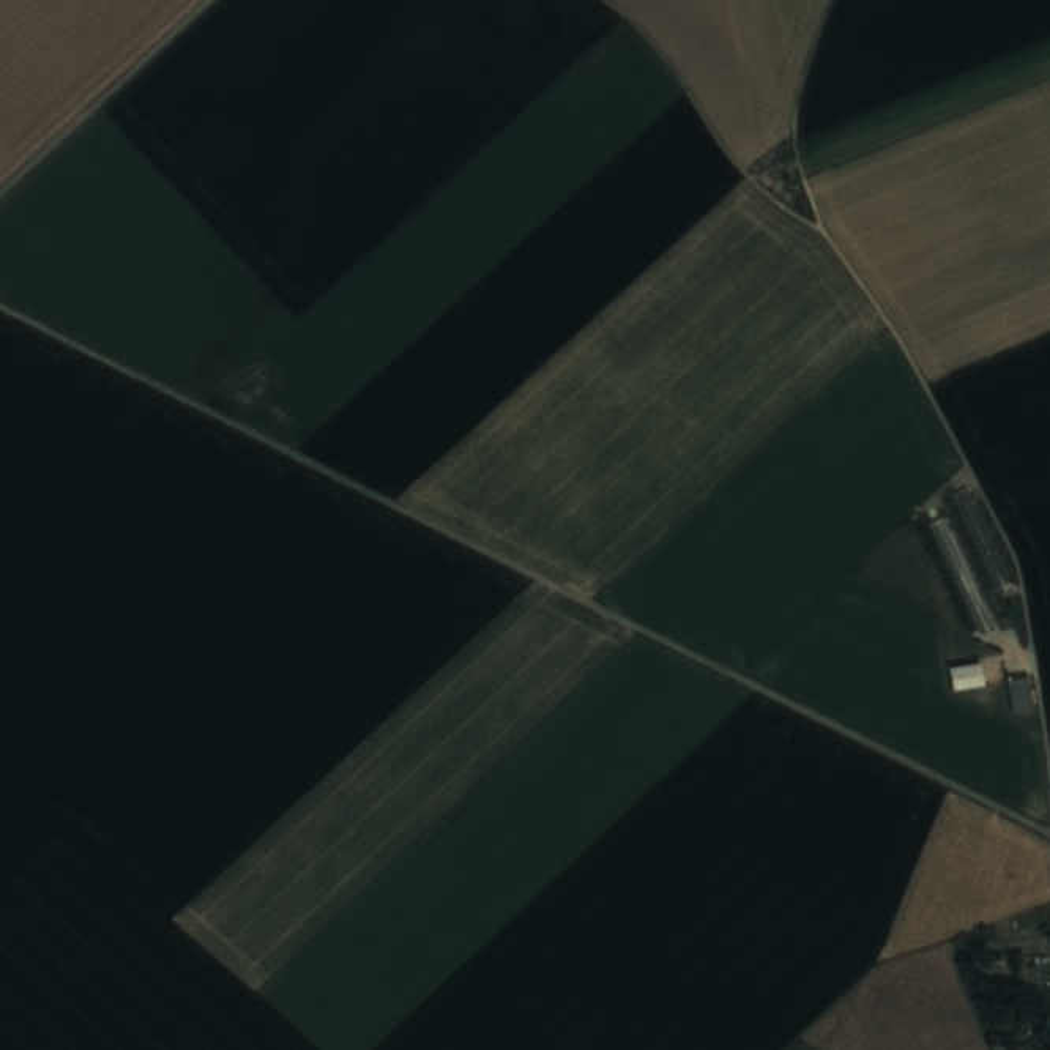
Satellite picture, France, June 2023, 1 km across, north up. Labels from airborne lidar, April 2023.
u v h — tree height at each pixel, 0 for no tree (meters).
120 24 0
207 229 0
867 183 0
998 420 0
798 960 0
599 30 0
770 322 0
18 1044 0
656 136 0
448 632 0
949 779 0
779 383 0
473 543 0
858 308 0
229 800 0
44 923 0
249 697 0
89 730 0
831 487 0
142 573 0
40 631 0
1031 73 0
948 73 0
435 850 0
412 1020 0
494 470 0
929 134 0
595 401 0
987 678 0
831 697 0
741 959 0
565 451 0
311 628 0
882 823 0
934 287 0
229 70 0
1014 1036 6
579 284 0
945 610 0
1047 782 0
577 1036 0
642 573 0
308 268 0
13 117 0
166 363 0
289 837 0
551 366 0
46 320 0
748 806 0
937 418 0
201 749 0
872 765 0
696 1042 0
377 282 0
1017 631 0
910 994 0
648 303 0
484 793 0
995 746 0
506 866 0
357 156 0
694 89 0
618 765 0
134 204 0
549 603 0
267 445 0
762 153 0
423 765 0
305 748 0
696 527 0
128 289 0
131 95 0
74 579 0
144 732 0
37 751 0
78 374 0
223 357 0
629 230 0
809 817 0
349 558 0
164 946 0
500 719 0
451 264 0
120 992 0
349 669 0
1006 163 0
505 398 0
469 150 0
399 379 0
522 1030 0
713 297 0
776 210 0
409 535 0
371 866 0
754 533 0
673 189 0
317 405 0
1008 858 0
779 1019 0
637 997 0
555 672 0
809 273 0
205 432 0
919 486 0
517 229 0
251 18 0
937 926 0
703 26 0
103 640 0
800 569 0
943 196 0
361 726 0
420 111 0
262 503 0
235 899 0
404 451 0
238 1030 0
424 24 0
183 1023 0
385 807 0
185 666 0
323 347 0
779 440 0
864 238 0
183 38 0
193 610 0
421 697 0
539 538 0
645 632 0
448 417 0
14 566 0
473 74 0
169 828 0
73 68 0
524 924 0
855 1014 0
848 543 0
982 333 0
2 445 0
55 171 0
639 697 0
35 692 0
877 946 0
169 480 0
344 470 0
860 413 0
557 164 0
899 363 0
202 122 0
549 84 0
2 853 0
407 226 0
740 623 0
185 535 0
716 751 0
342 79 0
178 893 0
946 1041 0
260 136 0
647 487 0
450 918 0
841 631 0
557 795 0
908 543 0
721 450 0
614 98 0
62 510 0
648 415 0
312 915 0
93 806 0
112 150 0
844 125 0
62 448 0
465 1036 0
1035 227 0
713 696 0
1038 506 0
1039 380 0
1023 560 0
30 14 0
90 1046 0
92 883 0
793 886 0
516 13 0
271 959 0
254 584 0
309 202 0
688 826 0
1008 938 0
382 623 0
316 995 0
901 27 0
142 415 0
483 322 0
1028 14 0
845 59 0
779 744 0
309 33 0
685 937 0
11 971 0
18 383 0
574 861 0
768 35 0
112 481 0
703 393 0
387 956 0
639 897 0
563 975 0
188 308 0
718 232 0
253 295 0
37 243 0
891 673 0
